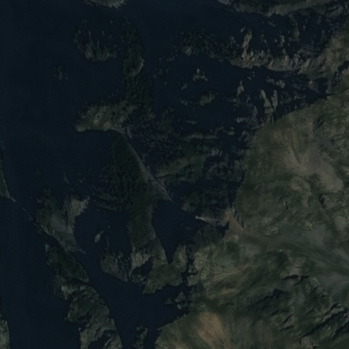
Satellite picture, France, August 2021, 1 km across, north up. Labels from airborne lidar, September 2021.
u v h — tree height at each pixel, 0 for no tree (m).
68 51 9
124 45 9
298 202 0
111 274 0
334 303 0
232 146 14
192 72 17
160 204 0
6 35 0
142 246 0
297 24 0
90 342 0
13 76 10
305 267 0
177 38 8
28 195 9
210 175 0
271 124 0
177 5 0
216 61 14
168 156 9
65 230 0
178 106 10
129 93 13
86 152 7
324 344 0
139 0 0
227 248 0
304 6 0
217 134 0
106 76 0
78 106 7
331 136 0
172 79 0
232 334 0
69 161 6
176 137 0
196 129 11
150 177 0
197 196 0
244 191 0
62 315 6
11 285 11
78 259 8
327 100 0
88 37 7
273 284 0
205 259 0
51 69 10
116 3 0
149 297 0
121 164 6
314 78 0
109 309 0
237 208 0
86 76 14
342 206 0
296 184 0
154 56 8
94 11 7
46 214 0
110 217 11
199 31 7
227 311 0
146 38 0
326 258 0
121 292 0
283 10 0
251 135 0
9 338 0
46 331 0
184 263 0
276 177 0
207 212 0
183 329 0
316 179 0
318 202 0
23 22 9
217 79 8
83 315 0
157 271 0
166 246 0
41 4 9
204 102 0
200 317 0
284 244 0
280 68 0
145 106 15
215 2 0
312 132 0
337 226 0
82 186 8
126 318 0
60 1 0
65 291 9
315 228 0
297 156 0
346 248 0
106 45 11
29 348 10
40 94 9
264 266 0
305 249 0
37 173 9
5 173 0
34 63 10
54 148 0
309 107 0
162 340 0
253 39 0
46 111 6
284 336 0
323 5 0
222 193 0
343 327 0
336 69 0
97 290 30
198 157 0
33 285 8
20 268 7
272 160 0
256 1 0
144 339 0
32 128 9
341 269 0
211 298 0
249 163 0
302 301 0
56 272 13
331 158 0
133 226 0
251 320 0
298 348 0
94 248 0
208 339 0
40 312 9
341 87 0
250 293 0
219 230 0
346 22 0
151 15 0
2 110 0
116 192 11
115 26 8
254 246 0
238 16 0
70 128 7
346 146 0
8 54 0
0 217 7
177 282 0
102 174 7
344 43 0
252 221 0
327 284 0
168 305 0
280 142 0
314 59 0
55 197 7
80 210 0
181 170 0
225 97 6
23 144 0
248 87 0
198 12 0
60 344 0
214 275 0
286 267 0
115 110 0
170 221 0
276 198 0
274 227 0
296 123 0
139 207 0
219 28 0
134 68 7
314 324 0
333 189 0
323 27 0
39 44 6
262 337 0
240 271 0
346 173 0
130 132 8
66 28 9
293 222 0
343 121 0
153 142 15
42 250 8
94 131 0
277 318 0
